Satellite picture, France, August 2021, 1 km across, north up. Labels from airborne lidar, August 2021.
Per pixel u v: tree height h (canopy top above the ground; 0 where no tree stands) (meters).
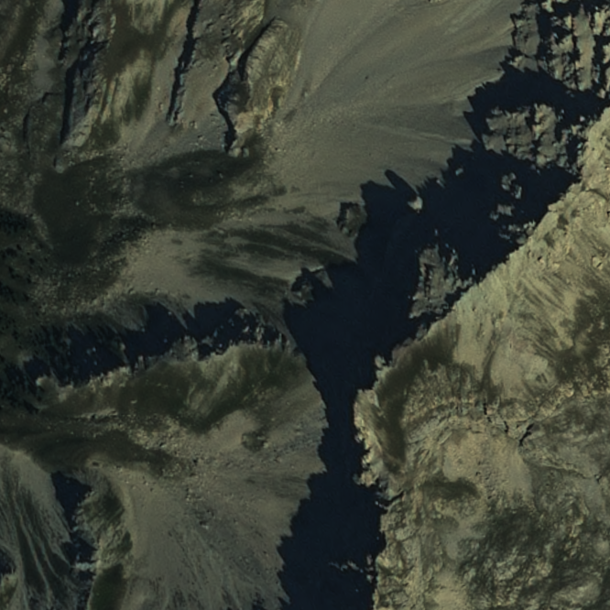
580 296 0
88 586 0
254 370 0
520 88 0
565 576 0
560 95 0
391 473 0
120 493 0
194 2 0
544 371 0
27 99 0
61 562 0
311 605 0
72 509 0
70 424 0
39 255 0
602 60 0
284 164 0
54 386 0
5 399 16
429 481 0
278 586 0
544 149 0
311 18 0
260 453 0
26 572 0
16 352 0
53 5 0
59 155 0
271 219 0
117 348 0
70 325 0
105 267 0
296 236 0
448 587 0
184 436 0
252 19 0
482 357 0
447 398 0
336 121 0
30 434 0
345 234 0
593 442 0
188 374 0
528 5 0
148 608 0
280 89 0
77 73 0
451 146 0
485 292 0
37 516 0
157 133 0
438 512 0
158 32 0
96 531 0
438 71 0
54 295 0
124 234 0
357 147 0
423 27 0
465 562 0
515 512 0
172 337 0
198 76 0
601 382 0
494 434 0
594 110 0
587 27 0
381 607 0
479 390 0
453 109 0
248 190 0
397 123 0
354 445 0
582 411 0
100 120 0
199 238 0
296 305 0
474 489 0
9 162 0
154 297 0
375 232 0
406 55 0
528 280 0
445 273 0
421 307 0
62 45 0
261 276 0
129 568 0
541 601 0
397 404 0
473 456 0
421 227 0
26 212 0
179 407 0
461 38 0
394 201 0
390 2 0
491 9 0
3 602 0
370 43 0
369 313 0
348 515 0
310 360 0
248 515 0
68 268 0
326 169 0
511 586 0
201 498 0
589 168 0
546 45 0
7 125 0
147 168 0
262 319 0
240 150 0
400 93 0
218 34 0
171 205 0
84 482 0
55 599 0
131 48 0
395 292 0
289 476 0
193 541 0
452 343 0
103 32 0
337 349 0
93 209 0
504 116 0
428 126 0
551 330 0
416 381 0
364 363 0
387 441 0
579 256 0
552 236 0
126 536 0
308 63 0
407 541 0
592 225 0
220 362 0
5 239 0
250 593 0
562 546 0
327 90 0
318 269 0
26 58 0
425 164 0
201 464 0
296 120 0
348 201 0
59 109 0
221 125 0
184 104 0
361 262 0
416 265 0
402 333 0
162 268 0
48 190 0
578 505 0
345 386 0
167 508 0
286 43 0
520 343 0
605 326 0
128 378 0
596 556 0
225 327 0
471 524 0
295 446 0
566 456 0
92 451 0
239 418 0
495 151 0
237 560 0
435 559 0
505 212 0
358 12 0
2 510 0
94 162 0
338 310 0
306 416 0
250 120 0
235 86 0
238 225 0
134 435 0
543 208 0
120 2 0
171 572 0
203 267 0
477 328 0
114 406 0
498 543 0
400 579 0
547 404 0
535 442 0
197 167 0
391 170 0
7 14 0
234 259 0
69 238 0
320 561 0
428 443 0
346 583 0
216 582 0
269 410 0
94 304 0
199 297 0
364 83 0
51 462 0
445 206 0
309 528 0
